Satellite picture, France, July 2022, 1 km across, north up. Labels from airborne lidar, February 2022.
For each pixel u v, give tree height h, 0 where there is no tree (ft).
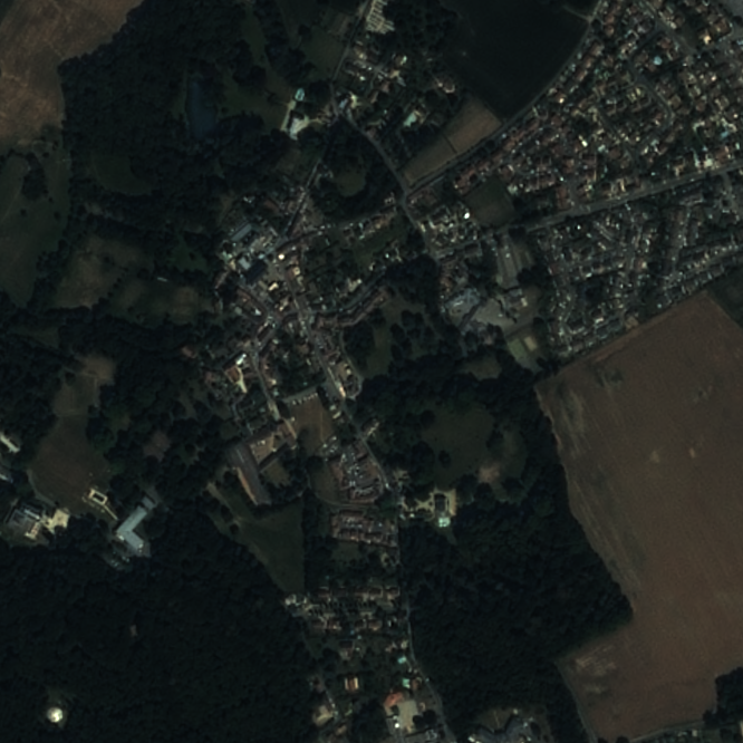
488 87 0
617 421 0
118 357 55
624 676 0
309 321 0
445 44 55
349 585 36
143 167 84
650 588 0
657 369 0
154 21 94
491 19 0
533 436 92
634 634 0
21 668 60
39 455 0
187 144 82
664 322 0
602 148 0
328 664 23
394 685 22
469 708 44
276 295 45
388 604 0
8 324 47
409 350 78
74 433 0
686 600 0
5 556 82
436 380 74
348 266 26
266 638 85
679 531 0
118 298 0
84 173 57
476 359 32
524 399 113
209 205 67
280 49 85
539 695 41
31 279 0
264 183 67
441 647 83
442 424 0
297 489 49
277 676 84
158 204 57
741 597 0
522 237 51
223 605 96
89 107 94
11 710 84
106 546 59
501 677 83
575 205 0
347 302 22
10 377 81
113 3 0
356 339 81
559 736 60
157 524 42
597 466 0
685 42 0
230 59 101
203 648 93
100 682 68
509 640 93
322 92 73
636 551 0
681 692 0
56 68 0
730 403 0
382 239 0
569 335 0
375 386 67
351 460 0
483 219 0
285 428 0
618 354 0
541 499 106
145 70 96
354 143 61
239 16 81
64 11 0
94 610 99
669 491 0
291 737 72
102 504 0
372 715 72
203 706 86
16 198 0
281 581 0
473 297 0
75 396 0
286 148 55
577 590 83
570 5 0
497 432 17
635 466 0
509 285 0
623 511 0
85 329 73
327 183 62
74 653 87
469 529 108
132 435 19
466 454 0
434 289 69
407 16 26
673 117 0
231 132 92
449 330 77
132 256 0
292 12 0
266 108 0
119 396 81
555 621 87
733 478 0
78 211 38
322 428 0
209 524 92
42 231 0
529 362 0
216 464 39
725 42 0
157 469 53
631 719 0
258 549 0
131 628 99
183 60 95
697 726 0
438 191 0
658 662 0
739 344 0
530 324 0
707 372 0
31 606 91
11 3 0
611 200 0
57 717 0
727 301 0
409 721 0
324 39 0
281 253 0
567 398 0
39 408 79
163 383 69
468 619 86
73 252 48
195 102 0
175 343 53
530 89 0
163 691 88
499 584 78
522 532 115
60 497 0
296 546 0
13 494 79
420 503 90
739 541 0
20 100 0
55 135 0
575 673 0
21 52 0
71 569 85
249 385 34
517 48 0
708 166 0
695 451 0
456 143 0
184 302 0
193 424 50
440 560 76
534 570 105
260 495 0
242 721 86
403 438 57
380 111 48
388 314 0
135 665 80
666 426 0
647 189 0
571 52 0
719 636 0
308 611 0
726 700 82
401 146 80
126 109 93
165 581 102
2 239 0
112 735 72
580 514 0
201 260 0
